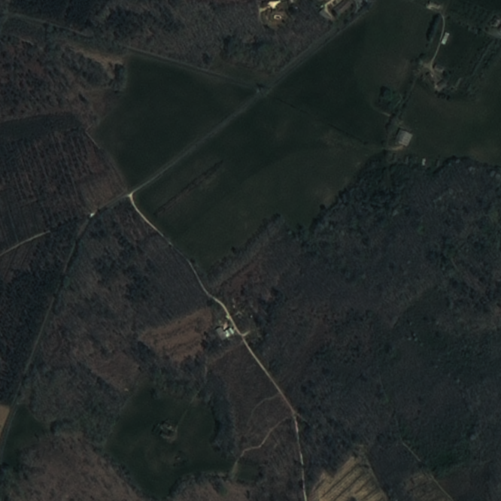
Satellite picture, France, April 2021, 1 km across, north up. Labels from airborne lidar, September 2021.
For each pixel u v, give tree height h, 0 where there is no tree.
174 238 0
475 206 18
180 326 0
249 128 0
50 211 8
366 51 0
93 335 14
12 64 0
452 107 0
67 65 22
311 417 17
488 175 17
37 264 13
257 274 8
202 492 18
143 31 20
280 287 12
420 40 0
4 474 25
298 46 16
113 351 6
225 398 20
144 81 0
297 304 9
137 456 0
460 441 10
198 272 15
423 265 17
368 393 15
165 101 0
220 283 21
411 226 20
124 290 13
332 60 0
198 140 0
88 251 18
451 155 0
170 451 0
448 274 21
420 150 0
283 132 0
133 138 0
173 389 20
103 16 16
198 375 19
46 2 15
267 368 17
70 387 18
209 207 0
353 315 6
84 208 17
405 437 9
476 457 7
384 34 0
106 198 20
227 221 0
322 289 13
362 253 15
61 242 12
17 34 14
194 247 0
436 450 10
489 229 28
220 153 0
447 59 0
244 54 19
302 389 8
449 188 21
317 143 0
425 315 7
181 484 18
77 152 7
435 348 11
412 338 11
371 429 16
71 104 17
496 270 22
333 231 22
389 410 9
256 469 0
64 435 25
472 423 9
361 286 23
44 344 8
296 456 20
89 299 10
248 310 9
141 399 0
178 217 0
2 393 14
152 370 19
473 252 19
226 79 0
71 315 12
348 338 10
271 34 13
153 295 17
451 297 23
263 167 0
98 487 20
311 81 0
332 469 21
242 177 0
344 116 0
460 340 13
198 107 0
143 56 0
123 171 0
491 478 18
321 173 0
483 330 15
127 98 0
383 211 11
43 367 14
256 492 20
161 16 22
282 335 12
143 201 0
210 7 17
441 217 17
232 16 15
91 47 18
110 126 0
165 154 0
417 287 23
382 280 18
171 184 0
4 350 20
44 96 13
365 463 0
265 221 0
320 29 13
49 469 0
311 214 0
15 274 17
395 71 0
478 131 0
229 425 24
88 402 14
